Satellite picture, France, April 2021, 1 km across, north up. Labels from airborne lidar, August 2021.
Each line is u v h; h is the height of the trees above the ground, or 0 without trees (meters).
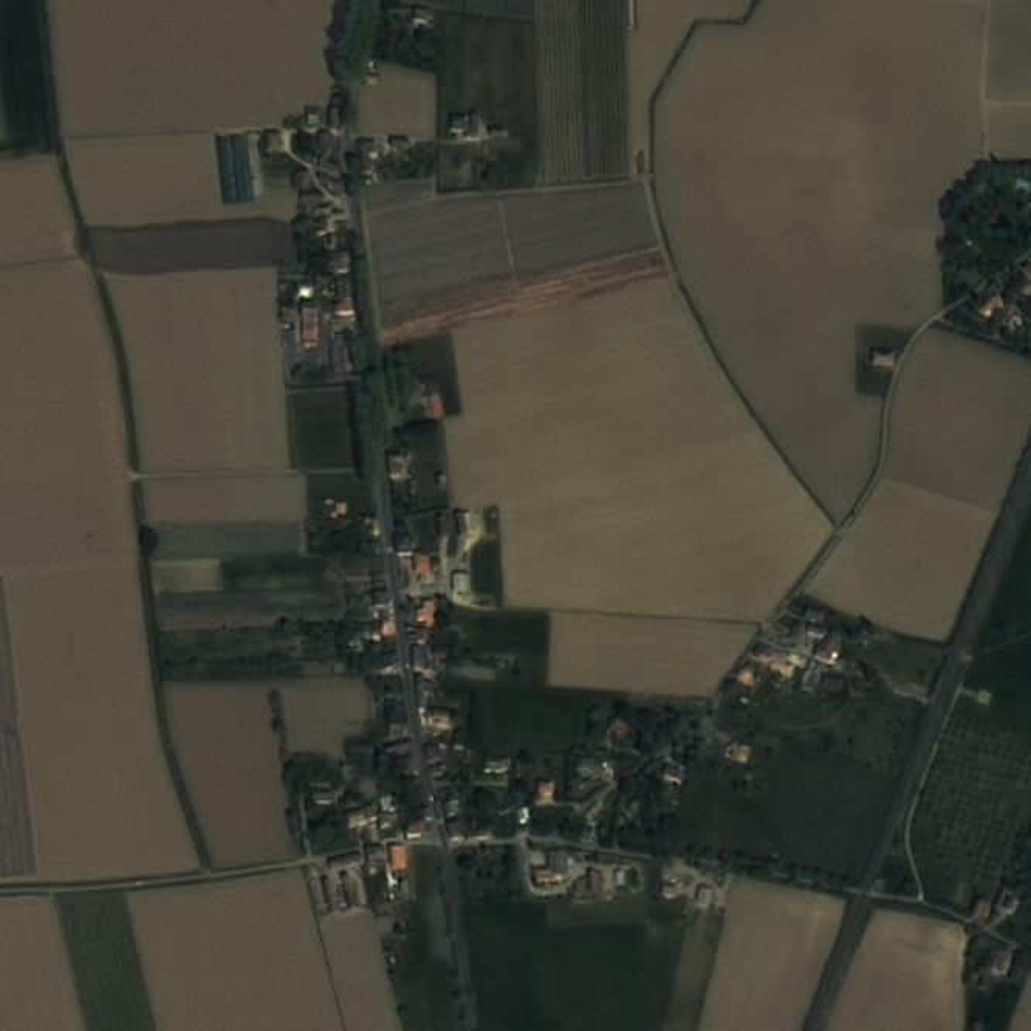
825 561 0
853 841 0
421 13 0
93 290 0
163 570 0
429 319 0
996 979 0
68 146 0
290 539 0
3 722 0
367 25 31
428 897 0
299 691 0
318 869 0
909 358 0
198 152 0
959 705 0
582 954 0
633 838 14
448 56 0
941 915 7
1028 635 0
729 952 0
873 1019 0
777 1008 0
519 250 0
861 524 0
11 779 0
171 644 0
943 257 14
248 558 0
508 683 0
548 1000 0
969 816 11
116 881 0
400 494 6
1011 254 7
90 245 0
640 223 0
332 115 0
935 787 8
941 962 0
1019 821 10
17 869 0
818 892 9
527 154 0
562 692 0
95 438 0
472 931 0
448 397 0
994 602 0
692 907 0
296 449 0
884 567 0
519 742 0
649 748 12
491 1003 0
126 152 0
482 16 0
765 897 0
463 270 0
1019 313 5
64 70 0
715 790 0
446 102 0
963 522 0
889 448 0
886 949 0
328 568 0
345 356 0
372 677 7
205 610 0
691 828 0
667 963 0
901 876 7
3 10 0
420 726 0
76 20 0
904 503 0
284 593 0
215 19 0
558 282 0
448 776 6
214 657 0
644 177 0
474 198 0
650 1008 0
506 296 0
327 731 0
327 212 0
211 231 0
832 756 8
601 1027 0
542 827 12
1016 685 0
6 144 0
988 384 0
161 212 0
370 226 0
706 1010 0
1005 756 8
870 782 0
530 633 0
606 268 0
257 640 0
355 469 0
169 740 0
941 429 0
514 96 0
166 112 0
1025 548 0
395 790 8
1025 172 11
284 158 8
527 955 0
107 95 0
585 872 0
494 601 0
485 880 7
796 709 0
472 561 0
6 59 0
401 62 8
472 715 6
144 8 0
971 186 13
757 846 0
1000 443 0
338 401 0
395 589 0
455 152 0
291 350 0
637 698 0
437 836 0
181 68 0
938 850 10
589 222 0
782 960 0
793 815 0
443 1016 0
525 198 0
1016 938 0
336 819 11
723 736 0
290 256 0
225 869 0
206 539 0
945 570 0
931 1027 0
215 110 0
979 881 11
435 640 8
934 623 0
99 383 0
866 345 0
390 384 14
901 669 0
